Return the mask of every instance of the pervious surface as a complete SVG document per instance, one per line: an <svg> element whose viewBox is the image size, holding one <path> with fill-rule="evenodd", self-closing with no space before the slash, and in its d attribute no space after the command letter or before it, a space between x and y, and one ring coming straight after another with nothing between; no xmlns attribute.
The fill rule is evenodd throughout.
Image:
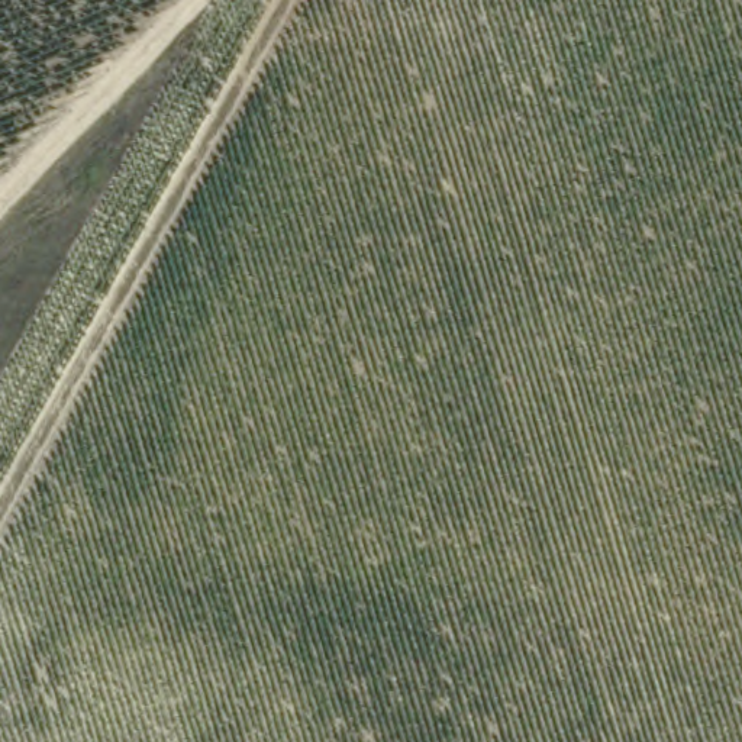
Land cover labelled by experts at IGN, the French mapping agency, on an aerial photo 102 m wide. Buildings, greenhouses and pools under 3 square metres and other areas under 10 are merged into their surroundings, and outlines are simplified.
<svg viewBox="0 0 742 742"><path fill-rule="evenodd" d="M55 125L49 125L38 136L38 142L29 151L20 154L14 168L9 168L0 177L0 220L67 154L67 148L81 133L87 133L122 99L122 93L162 55L162 49L209 6L209 0L168 0L162 9L151 14L145 32L136 32L130 43L107 52L101 64L90 67L90 72L72 84L70 107L58 116Z"/></svg>

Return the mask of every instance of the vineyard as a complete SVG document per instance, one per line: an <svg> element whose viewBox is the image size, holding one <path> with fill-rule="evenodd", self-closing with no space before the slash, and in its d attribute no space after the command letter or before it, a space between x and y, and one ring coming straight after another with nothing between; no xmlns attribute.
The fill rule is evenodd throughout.
<svg viewBox="0 0 742 742"><path fill-rule="evenodd" d="M90 72L90 67L101 64L107 52L130 43L136 32L145 32L151 14L162 9L168 0L0 0L0 177L9 168L14 168L20 154L29 151L38 142L38 136L49 125L55 125L58 116L70 107L72 84Z"/></svg>
<svg viewBox="0 0 742 742"><path fill-rule="evenodd" d="M217 145L203 180L197 183L157 264L151 267L142 293L136 296L110 348L104 351L90 383L84 385L67 420L67 429L58 435L41 470L41 478L35 481L29 496L23 496L20 516L9 525L9 530L0 539L0 742L742 742L742 0L304 0L296 9L290 26L281 32L275 58L258 75L252 93L243 101L241 116Z"/></svg>

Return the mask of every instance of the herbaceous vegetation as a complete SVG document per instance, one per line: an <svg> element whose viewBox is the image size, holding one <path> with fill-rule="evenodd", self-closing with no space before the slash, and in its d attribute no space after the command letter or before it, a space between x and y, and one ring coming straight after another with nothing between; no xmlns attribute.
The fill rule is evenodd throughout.
<svg viewBox="0 0 742 742"><path fill-rule="evenodd" d="M151 267L157 264L197 183L203 180L217 145L241 116L243 101L252 93L258 75L275 58L281 32L290 26L296 9L304 0L209 0L209 6L162 49L162 55L122 93L122 99L87 133L81 133L67 148L67 154L0 220L0 539L9 530L9 525L20 516L23 496L29 496L35 481L41 478L41 470L58 435L67 429L67 420L84 385L90 383L104 351L110 348L136 296L142 293Z"/></svg>

